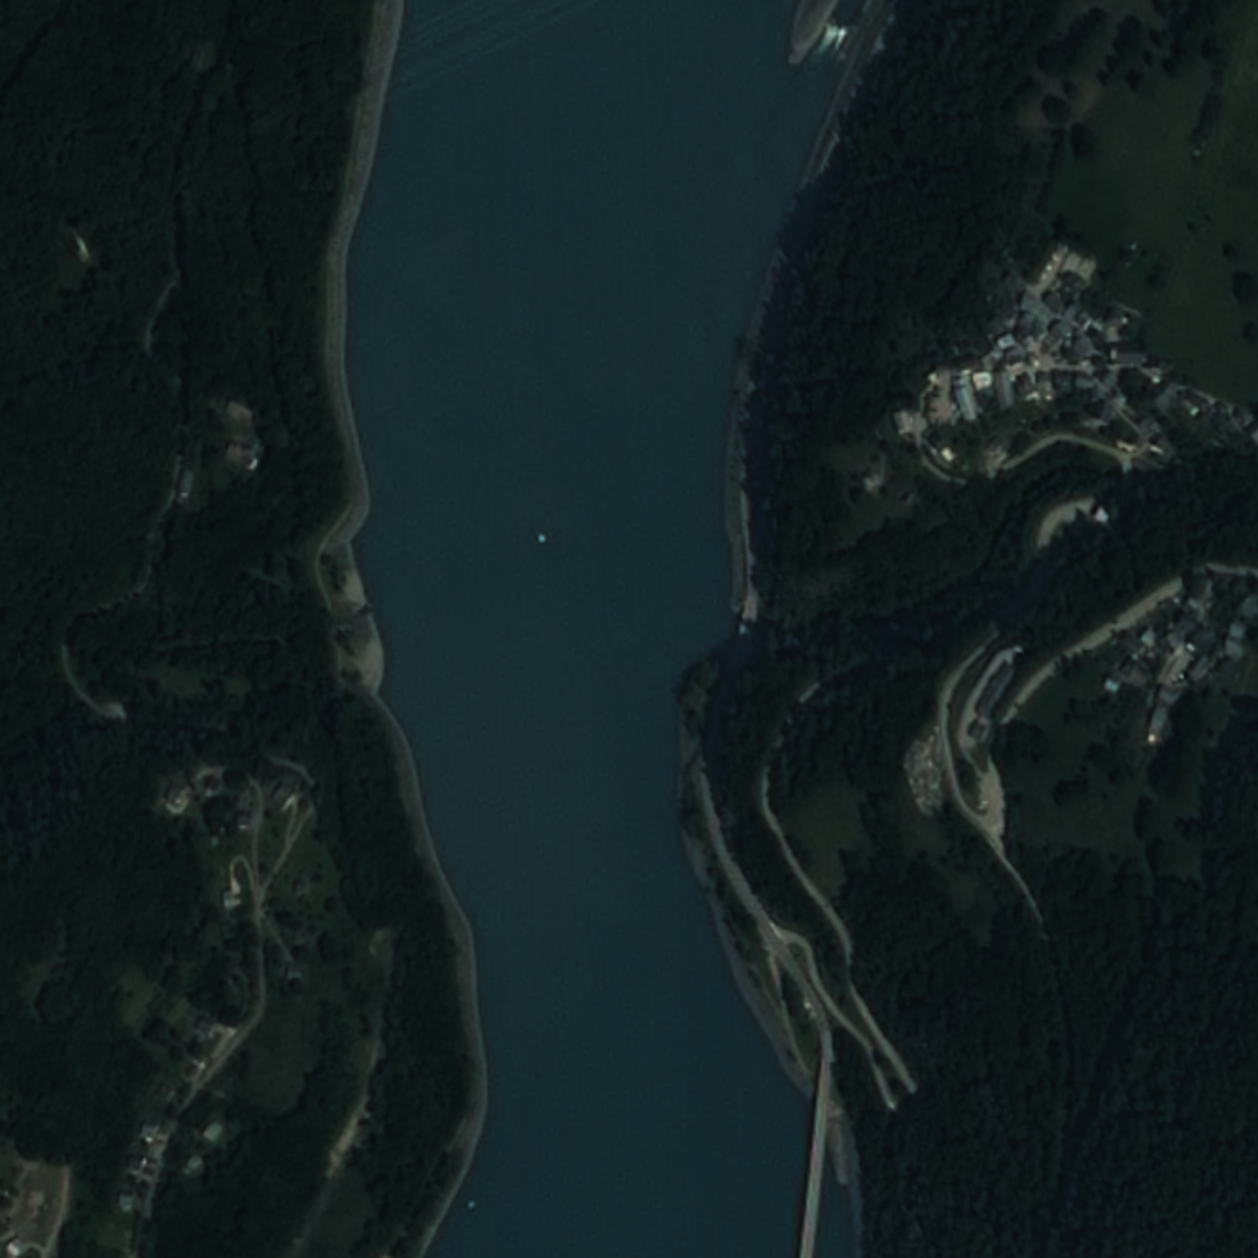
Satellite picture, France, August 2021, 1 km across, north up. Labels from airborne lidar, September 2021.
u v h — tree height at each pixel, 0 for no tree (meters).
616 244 0
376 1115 19
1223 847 22
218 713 12
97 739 33
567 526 0
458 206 0
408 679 0
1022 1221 23
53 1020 22
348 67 22
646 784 0
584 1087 0
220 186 22
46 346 29
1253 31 0
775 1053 0
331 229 19
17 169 28
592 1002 0
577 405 0
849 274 25
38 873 23
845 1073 19
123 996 12
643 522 0
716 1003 0
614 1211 0
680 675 0
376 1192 21
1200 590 13
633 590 0
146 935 17
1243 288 17
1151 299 0
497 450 0
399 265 0
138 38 28
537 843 0
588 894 0
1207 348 0
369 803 25
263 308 6
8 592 25
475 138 0
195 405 26
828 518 11
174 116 19
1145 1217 30
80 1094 24
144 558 26
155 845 19
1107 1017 11
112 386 27
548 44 0
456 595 0
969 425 7
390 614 0
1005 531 13
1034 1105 29
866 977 18
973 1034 30
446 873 0
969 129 29
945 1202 26
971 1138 13
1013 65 20
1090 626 14
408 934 18
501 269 0
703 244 0
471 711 0
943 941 20
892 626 24
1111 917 22
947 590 13
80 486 27
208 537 26
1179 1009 23
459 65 0
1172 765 18
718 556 0
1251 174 0
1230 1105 32
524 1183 0
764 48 0
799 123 0
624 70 0
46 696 9
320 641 16
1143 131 0
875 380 18
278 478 25
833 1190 0
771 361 18
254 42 26
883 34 0
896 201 26
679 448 0
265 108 33
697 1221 0
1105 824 0
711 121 0
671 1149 0
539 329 0
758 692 22
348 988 10
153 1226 11
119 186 25
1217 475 26
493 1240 0
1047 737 15
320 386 23
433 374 0
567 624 0
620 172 0
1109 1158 35
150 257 35
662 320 0
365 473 0
